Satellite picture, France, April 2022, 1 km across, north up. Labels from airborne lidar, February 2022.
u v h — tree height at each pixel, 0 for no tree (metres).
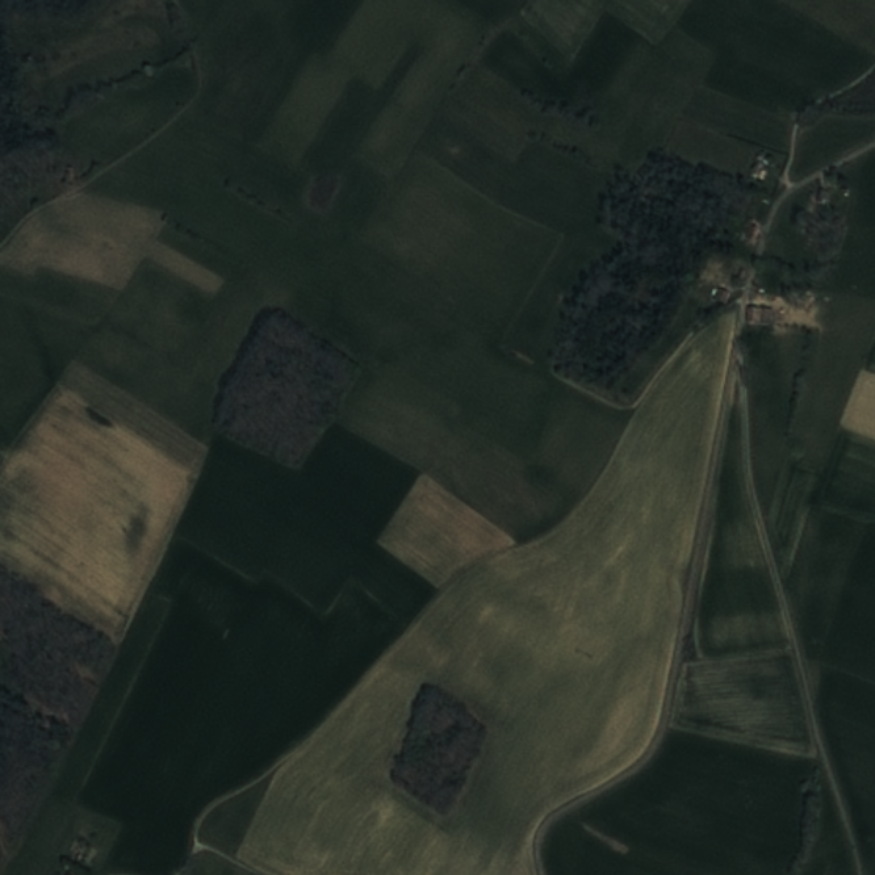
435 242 0
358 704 0
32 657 21
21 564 0
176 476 0
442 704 25
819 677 0
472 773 16
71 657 22
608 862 0
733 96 0
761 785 0
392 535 0
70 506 0
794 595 0
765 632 0
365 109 0
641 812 0
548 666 0
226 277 0
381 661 0
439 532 0
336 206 0
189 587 0
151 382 0
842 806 0
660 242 18
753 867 0
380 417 0
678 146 0
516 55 0
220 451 0
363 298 0
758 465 0
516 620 0
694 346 0
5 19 28
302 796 0
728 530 0
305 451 21
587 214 0
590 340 10
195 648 0
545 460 0
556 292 0
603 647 0
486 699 0
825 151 0
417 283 0
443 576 0
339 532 0
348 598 0
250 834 0
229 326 0
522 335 0
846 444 0
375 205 0
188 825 0
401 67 0
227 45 0
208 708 0
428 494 0
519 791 0
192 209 0
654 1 0
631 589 0
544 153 0
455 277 0
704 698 0
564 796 0
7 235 0
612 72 0
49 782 16
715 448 0
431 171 0
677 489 0
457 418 0
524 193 0
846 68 0
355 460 0
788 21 0
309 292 0
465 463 0
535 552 0
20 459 0
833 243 24
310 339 25
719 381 0
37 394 0
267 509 0
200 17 0
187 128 0
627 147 0
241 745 0
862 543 0
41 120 11
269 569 0
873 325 0
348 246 0
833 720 0
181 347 0
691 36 0
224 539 0
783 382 0
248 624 0
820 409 0
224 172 0
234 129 0
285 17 0
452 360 0
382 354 0
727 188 24
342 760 0
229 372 0
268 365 29
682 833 0
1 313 0
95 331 0
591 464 0
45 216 0
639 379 0
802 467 0
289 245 0
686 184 11
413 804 0
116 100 0
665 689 0
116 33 0
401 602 0
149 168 0
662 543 0
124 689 0
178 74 0
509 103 0
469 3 0
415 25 0
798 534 0
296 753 0
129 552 0
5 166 24
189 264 0
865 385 0
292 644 0
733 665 0
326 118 0
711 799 0
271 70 0
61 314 0
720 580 0
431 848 0
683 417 0
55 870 0
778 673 0
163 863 0
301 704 0
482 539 0
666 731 0
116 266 0
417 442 0
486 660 0
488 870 0
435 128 0
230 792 0
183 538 0
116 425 0
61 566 0
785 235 0
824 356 0
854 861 0
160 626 0
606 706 0
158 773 0
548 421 0
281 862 0
